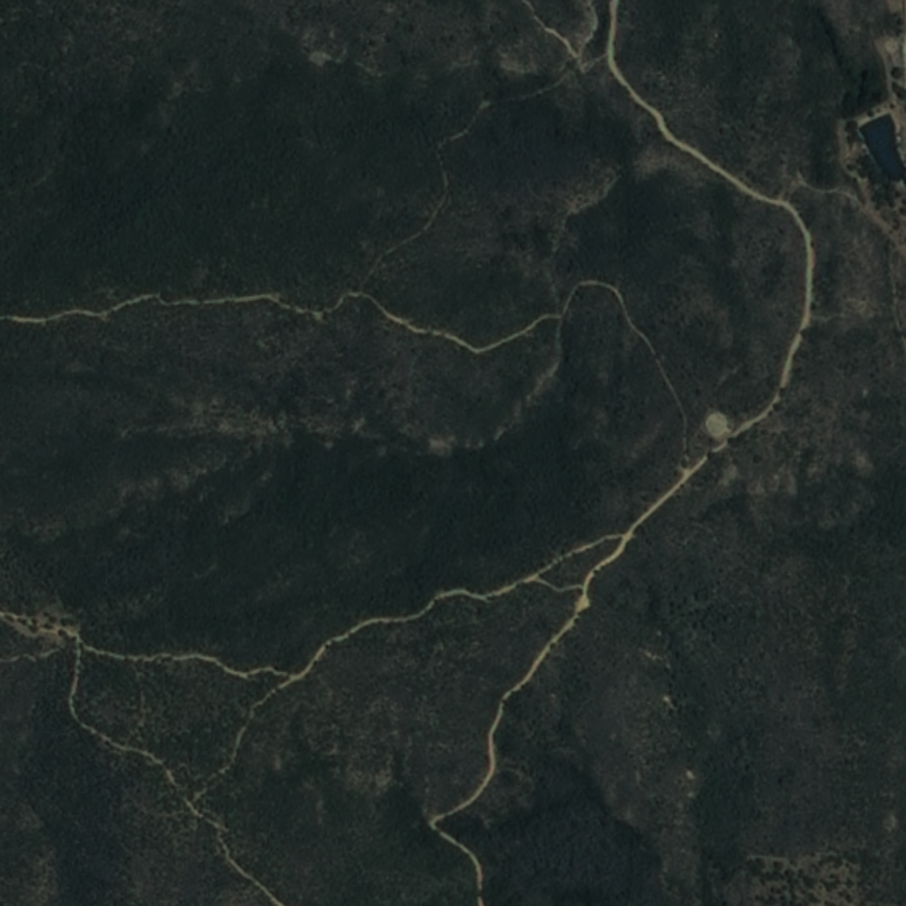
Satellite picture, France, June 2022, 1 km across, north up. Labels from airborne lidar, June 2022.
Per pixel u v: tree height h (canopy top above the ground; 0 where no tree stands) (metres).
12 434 7
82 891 6
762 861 7
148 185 7
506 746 7
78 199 8
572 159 7
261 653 7
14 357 7
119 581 6
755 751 6
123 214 10
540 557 7
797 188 0
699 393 7
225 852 6
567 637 7
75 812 7
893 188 12
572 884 6
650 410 0
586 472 6
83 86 8
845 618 6
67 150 12
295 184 5
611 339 0
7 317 6
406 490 7
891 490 7
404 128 8
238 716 8
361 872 7
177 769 6
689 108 0
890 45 0
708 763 7
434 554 7
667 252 0
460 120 8
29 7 10
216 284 6
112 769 7
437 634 8
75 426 8
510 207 6
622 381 6
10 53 7
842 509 8
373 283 6
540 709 8
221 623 7
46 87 10
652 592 7
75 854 6
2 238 9
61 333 7
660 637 6
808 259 0
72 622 7
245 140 7
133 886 8
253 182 7
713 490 0
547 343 9
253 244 6
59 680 7
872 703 7
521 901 8
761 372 0
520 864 8
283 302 7
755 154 0
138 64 7
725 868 7
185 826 7
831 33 12
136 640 6
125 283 8
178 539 12
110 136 11
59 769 9
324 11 7
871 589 6
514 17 0
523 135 7
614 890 10
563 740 7
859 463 0
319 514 6
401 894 9
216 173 9
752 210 0
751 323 0
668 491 0
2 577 6
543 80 6
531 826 10
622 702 0
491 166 6
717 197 6
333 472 8
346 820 7
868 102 13
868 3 0
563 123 6
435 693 6
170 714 7
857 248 0
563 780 6
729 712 8
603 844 13
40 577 10
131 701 6
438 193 6
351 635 6
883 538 6
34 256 7
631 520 6
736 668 7
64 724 7
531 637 9
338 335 9
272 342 7
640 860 8
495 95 6
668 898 6
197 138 7
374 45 9
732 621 8
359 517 6
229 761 7
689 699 12
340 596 6
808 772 0
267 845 8
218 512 7
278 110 7
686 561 6
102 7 8
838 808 6
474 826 6
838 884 6
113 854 7
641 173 0
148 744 7
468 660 8
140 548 5
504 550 8
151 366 8
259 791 7
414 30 9
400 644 6
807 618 5
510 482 9
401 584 7
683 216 7
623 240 7
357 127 10
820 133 6
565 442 8
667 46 7
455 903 7
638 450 0
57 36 7
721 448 0
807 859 0
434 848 6
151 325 6
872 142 0
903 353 5
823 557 6
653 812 6
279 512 7
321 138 7
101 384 8
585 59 0
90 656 6
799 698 0
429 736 6
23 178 7
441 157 6
